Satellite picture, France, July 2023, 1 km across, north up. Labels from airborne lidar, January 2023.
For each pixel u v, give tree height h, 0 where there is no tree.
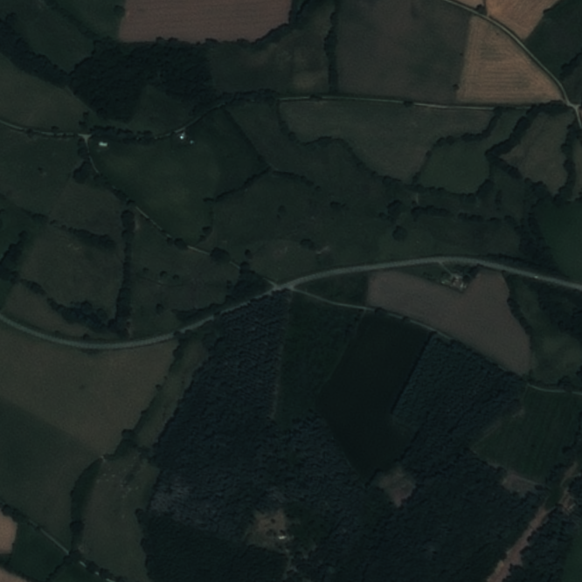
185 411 23
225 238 0
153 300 0
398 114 0
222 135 0
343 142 8
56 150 0
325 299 0
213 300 0
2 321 0
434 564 14
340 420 0
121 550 0
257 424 20
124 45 6
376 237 0
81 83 9
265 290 16
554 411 0
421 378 27
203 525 10
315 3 22
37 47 0
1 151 0
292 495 23
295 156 0
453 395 23
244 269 14
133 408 0
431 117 0
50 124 0
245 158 0
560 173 0
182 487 24
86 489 0
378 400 0
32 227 0
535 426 0
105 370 0
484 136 10
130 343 0
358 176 0
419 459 18
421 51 0
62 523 0
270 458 11
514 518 20
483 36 0
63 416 0
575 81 0
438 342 22
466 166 0
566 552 8
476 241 0
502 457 0
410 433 0
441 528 21
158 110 0
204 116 9
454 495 20
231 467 21
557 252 0
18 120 0
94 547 0
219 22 0
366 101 0
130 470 0
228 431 22
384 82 0
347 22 0
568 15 0
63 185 0
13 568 12
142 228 0
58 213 0
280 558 9
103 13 0
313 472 25
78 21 6
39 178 0
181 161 0
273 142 0
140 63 11
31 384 0
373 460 0
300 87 0
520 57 0
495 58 0
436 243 0
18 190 0
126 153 0
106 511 0
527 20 0
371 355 0
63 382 0
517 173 18
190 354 0
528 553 21
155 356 0
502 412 28
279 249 0
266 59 0
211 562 8
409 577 21
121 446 8
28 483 0
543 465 0
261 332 15
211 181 0
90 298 0
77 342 0
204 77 10
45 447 0
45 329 0
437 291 0
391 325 0
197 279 0
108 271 0
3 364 0
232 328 17
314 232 0
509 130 0
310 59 0
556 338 0
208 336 7
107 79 13
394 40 0
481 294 0
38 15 0
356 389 0
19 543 0
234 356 18
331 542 13
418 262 0
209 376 22
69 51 0
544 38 0
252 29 0
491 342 0
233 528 18
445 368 21
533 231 9
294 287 0
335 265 0
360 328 0
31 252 0
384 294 0
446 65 0
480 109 0
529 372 5
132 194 0
